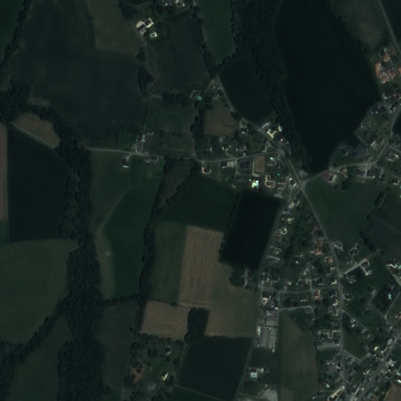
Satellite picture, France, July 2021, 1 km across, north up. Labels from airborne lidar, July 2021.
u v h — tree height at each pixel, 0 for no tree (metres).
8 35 0
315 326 7
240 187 0
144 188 0
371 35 0
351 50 0
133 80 0
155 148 0
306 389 0
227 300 0
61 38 0
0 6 0
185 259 0
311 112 0
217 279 0
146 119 0
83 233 23
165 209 7
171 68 0
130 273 0
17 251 0
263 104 0
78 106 0
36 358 0
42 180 0
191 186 0
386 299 8
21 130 0
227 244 0
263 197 0
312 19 0
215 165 0
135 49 0
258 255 0
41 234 0
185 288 0
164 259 0
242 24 18
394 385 0
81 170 23
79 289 10
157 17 11
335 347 0
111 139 0
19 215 0
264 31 12
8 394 16
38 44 0
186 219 0
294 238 10
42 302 0
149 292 10
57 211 0
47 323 18
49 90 0
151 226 10
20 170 0
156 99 0
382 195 14
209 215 0
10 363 19
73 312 17
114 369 0
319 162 0
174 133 8
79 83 0
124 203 0
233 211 8
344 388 0
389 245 0
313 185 0
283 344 0
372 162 0
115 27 0
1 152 0
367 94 0
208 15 0
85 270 9
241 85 0
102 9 0
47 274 0
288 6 0
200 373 0
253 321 0
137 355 11
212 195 0
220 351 0
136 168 0
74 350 19
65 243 0
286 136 23
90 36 0
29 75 0
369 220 13
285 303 11
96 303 19
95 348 26
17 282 0
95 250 12
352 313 0
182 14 0
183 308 0
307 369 0
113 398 0
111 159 0
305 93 0
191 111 0
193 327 20
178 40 0
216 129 0
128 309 0
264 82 21
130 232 0
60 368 17
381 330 9
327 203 0
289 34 0
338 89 0
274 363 0
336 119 0
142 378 0
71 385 20
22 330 0
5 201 0
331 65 0
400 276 0
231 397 0
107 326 0
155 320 0
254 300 0
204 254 0
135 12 14
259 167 0
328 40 0
